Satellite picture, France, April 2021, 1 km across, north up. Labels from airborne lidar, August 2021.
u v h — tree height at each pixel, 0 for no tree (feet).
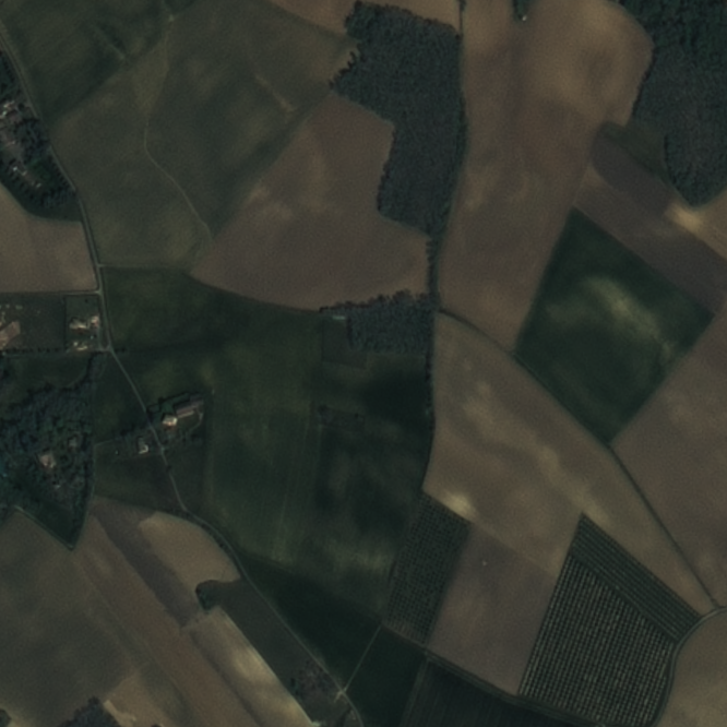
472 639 0
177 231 0
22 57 0
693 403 0
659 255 0
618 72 0
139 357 0
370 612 0
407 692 0
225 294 0
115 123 0
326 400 0
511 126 0
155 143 0
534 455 0
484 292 0
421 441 0
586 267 0
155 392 0
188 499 0
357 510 0
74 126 0
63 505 20
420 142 54
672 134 60
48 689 0
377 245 0
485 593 0
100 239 0
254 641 0
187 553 0
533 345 0
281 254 0
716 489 0
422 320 53
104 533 0
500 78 0
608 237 0
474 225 0
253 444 0
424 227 55
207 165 0
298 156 0
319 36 0
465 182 0
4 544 0
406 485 0
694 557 0
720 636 0
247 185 0
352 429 0
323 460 0
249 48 0
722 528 0
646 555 0
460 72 57
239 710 0
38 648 0
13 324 0
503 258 0
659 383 0
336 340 0
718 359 0
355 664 0
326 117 0
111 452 0
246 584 0
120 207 0
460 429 0
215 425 0
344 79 60
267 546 0
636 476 0
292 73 0
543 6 0
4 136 0
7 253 0
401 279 0
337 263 0
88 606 0
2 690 0
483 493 0
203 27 0
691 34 55
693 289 0
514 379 0
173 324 0
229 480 0
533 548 0
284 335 0
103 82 0
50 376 0
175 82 0
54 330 0
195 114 0
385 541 0
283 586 0
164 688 0
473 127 0
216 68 0
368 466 0
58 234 0
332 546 0
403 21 64
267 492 0
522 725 0
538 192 0
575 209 0
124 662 0
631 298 0
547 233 0
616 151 0
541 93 0
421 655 0
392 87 56
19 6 0
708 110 69
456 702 0
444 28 55
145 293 0
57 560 0
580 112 0
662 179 0
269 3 0
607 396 0
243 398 0
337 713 0
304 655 0
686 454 0
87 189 0
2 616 0
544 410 0
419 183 63
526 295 0
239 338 0
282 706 0
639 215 0
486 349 0
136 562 0
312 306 0
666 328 0
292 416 0
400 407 0
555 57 0
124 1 0
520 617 0
